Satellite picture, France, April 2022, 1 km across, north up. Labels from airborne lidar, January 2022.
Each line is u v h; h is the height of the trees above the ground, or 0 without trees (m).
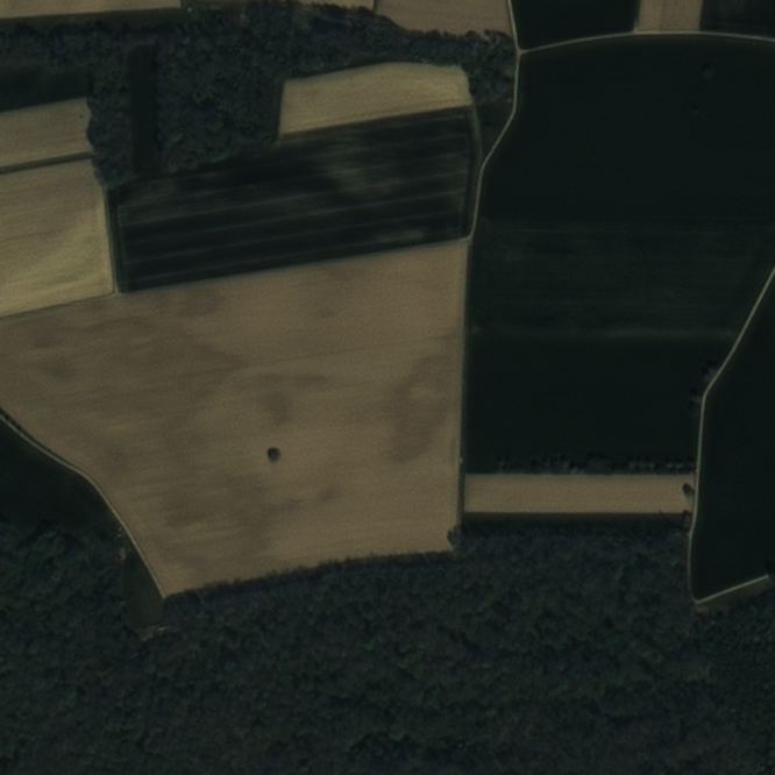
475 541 27
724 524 0
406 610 27
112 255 0
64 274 0
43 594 27
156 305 0
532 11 0
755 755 26
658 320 0
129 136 20
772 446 0
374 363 0
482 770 32
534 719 29
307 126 0
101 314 0
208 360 0
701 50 0
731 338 0
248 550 0
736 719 28
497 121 0
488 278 0
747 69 0
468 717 25
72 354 0
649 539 30
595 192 0
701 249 0
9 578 26
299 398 0
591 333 0
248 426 0
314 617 28
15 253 0
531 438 0
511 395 0
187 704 30
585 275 0
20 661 34
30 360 0
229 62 30
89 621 31
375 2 0
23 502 0
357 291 0
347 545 0
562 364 0
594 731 31
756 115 0
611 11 0
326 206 0
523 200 0
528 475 0
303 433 0
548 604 7
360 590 31
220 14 0
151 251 0
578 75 0
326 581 21
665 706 28
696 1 0
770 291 0
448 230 0
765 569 0
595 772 30
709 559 0
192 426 0
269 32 26
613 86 0
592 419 0
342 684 30
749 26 0
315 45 22
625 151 0
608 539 28
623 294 0
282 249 0
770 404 0
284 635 33
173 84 26
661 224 0
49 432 0
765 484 0
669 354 0
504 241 0
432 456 0
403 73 0
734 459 0
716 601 0
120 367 0
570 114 0
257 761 33
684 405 0
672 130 0
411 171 0
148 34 16
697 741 29
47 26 0
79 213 0
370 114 0
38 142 0
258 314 0
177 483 0
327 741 30
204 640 12
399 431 0
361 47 17
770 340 0
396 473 0
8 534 29
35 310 0
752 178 0
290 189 0
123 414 0
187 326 0
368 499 0
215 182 0
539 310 0
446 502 0
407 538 0
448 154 0
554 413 0
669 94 0
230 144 22
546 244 0
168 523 0
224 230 0
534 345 0
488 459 0
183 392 0
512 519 0
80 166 0
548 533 25
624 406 0
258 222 0
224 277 0
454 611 31
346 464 0
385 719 30
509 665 33
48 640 32
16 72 0
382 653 33
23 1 0
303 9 20
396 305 0
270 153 0
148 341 0
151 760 32
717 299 0
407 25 0
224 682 12
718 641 19
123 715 32
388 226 0
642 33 0
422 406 0
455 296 0
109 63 26
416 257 0
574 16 0
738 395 0
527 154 0
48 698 31
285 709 33
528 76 0
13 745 30
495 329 0
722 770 24
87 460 0
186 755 33
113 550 26
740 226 0
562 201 0
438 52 22
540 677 31
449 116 0
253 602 31
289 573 0
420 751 33
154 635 0
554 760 27
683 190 0
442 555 0
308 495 0
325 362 0
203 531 0
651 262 0
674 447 0
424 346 0
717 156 0
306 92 0
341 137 0
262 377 0
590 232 0
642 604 27
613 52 0
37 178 0
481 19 0
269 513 0
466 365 0
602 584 34
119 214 0
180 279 0
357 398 0
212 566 0
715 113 0
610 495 0
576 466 10
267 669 30
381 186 0
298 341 0
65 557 27
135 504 0
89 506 0
